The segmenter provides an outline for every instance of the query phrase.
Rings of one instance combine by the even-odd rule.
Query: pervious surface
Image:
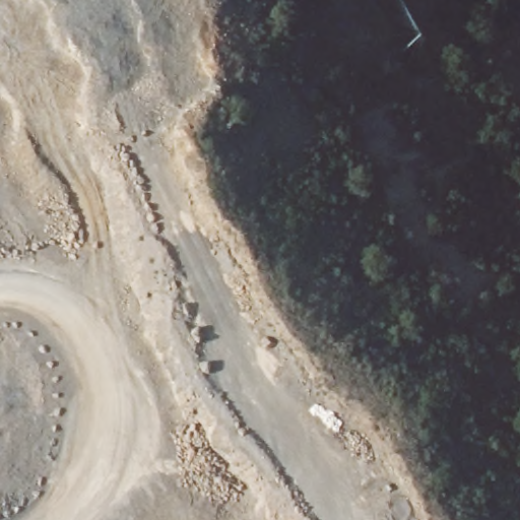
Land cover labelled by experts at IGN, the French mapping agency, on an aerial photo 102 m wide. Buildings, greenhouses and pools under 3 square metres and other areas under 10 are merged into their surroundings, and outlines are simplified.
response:
[[[398,420],[372,418],[372,414],[358,400],[347,400],[347,388],[333,392],[325,386],[325,372],[321,370],[321,360],[315,353],[309,353],[303,341],[299,341],[293,335],[290,327],[284,323],[284,319],[276,311],[272,299],[264,288],[264,282],[260,278],[258,266],[252,258],[244,234],[221,215],[215,199],[211,197],[207,185],[207,163],[199,154],[195,142],[191,140],[193,134],[201,130],[207,110],[219,93],[219,85],[215,81],[217,61],[213,57],[217,39],[217,0],[0,0],[0,520],[449,520],[447,516],[443,516],[441,506],[437,504],[439,490],[431,488],[431,469],[423,467],[420,463],[414,463],[416,443],[402,435]]]

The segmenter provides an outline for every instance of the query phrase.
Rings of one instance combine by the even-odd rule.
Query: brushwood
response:
[[[242,79],[258,83],[258,73],[264,65],[264,51],[270,49],[270,45],[276,39],[272,37],[270,10],[278,0],[217,0],[217,39],[213,57],[217,61],[215,81],[219,85],[219,93],[207,110],[201,130],[201,140],[211,140],[213,144],[228,130],[230,122],[238,124],[244,114],[246,102],[238,98],[244,91]]]

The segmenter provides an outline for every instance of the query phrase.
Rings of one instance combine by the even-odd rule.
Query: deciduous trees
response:
[[[520,520],[520,10],[514,12],[512,20],[500,20],[492,28],[496,12],[500,8],[498,0],[418,0],[418,10],[423,16],[423,39],[414,47],[408,47],[392,37],[392,33],[400,28],[402,18],[386,6],[386,0],[278,0],[270,10],[272,37],[276,39],[270,45],[270,49],[264,51],[264,65],[258,73],[258,83],[242,79],[244,91],[238,98],[246,102],[244,114],[238,124],[230,122],[228,130],[213,144],[213,154],[219,156],[219,165],[225,169],[225,177],[236,191],[236,207],[244,207],[244,215],[256,213],[256,219],[260,223],[258,234],[268,234],[266,250],[276,250],[276,262],[286,260],[288,297],[295,303],[301,303],[305,309],[311,309],[313,317],[309,323],[319,325],[319,321],[327,321],[327,333],[331,333],[337,341],[341,341],[349,333],[353,337],[349,353],[358,360],[368,358],[372,370],[384,370],[394,364],[408,366],[406,374],[396,376],[396,384],[402,388],[402,418],[398,420],[402,435],[416,443],[414,463],[420,463],[423,467],[431,469],[431,488],[439,490],[437,504],[441,506],[443,516],[447,516],[449,520]],[[370,160],[388,144],[398,144],[404,152],[420,152],[425,158],[429,158],[429,165],[433,169],[439,169],[447,163],[451,165],[453,171],[445,175],[445,179],[453,183],[453,191],[449,191],[451,201],[435,215],[427,215],[427,228],[431,234],[437,236],[439,242],[453,244],[457,252],[467,260],[492,264],[494,278],[498,280],[498,299],[490,301],[488,293],[479,293],[481,303],[469,311],[467,307],[463,309],[459,303],[441,295],[441,290],[447,284],[461,284],[459,276],[447,276],[437,270],[431,270],[429,276],[410,274],[402,278],[400,274],[390,276],[386,272],[386,268],[392,264],[392,256],[388,256],[386,252],[394,244],[394,213],[390,213],[388,209],[388,195],[380,195],[378,189],[374,189],[368,195],[364,175],[368,175],[372,169]]]

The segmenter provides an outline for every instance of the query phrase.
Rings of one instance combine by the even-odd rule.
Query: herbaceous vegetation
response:
[[[520,0],[498,0],[500,8],[496,12],[492,28],[500,20],[512,20],[514,12],[520,10]]]
[[[414,47],[423,39],[423,16],[418,10],[418,0],[386,0],[386,6],[402,18],[400,28],[392,33],[392,37],[408,47]]]
[[[453,244],[439,242],[437,236],[431,234],[427,228],[427,215],[435,215],[451,201],[449,191],[453,191],[453,183],[445,179],[445,175],[453,171],[451,165],[447,163],[439,169],[433,169],[429,165],[429,158],[425,158],[420,152],[404,152],[398,144],[388,144],[370,160],[372,169],[368,175],[364,175],[368,195],[374,189],[378,189],[380,195],[388,195],[388,209],[390,213],[394,213],[394,244],[386,252],[388,256],[392,256],[392,264],[386,268],[386,272],[390,276],[400,274],[402,278],[410,274],[429,276],[431,270],[437,270],[447,276],[459,276],[461,284],[447,284],[441,290],[441,295],[459,303],[463,309],[467,307],[469,311],[481,303],[479,293],[488,293],[490,301],[498,299],[498,280],[494,278],[492,264],[467,260],[457,252]]]
[[[337,341],[331,333],[327,333],[327,321],[319,321],[319,325],[309,323],[313,317],[311,309],[305,309],[301,303],[295,303],[288,297],[286,260],[276,262],[276,250],[266,250],[268,234],[258,234],[260,223],[256,219],[256,213],[244,215],[244,207],[236,207],[236,191],[225,177],[225,169],[219,165],[219,156],[213,154],[213,144],[211,140],[201,140],[201,130],[193,134],[191,140],[195,142],[199,154],[207,163],[207,185],[211,197],[215,199],[221,215],[244,234],[252,258],[258,266],[260,278],[264,282],[264,288],[272,299],[276,311],[284,319],[284,323],[290,327],[293,335],[299,341],[303,341],[309,353],[315,353],[321,360],[321,370],[325,372],[325,386],[333,392],[347,388],[347,400],[358,400],[372,414],[372,418],[398,420],[402,418],[402,388],[396,384],[396,376],[406,374],[408,366],[394,364],[384,370],[372,370],[368,358],[358,360],[349,353],[353,337],[349,333],[341,341]]]

